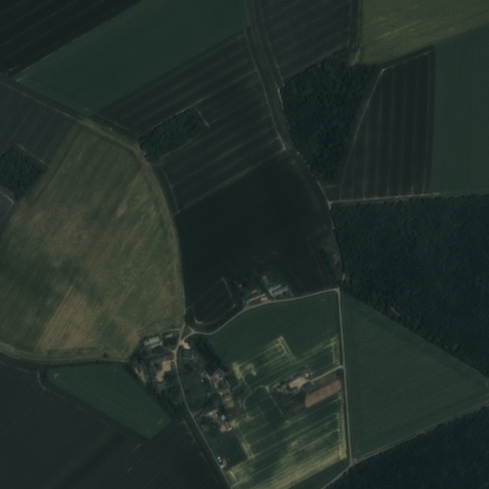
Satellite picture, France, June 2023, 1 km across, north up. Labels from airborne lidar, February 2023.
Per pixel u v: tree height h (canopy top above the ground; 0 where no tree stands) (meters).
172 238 0
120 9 0
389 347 0
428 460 25
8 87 0
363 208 19
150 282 0
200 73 0
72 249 0
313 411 0
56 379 0
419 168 0
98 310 0
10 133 0
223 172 0
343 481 14
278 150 0
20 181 9
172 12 0
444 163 0
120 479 0
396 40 0
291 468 0
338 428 0
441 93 0
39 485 0
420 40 0
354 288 16
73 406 0
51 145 0
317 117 21
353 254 18
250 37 0
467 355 22
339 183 0
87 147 0
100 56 0
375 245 23
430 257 21
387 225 22
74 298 0
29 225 0
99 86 0
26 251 0
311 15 0
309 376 0
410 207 21
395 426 0
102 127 0
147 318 0
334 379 0
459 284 21
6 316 0
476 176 0
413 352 0
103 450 0
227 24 0
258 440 0
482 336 24
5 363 0
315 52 0
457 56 0
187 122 12
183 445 0
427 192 0
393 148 0
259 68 0
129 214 0
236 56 0
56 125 0
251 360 0
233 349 0
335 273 9
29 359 0
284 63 0
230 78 0
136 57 0
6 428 0
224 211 0
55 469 0
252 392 0
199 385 0
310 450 0
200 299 0
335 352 0
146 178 0
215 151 0
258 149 0
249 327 0
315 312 0
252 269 0
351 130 8
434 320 23
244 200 0
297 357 0
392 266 21
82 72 0
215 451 0
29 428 0
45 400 0
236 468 0
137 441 0
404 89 0
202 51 0
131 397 0
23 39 0
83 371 0
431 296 22
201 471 0
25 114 0
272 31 0
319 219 0
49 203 0
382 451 0
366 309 0
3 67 0
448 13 0
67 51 0
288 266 0
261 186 0
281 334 0
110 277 0
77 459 0
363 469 17
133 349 0
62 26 0
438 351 0
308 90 22
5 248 0
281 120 0
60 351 0
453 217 23
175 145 19
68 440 0
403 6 0
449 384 0
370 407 0
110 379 0
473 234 22
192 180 0
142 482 0
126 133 0
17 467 0
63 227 0
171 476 0
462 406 0
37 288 0
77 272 0
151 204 0
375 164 0
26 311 0
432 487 23
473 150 0
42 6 0
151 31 0
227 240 0
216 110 0
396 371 0
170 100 0
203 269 0
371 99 0
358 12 0
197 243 0
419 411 0
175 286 0
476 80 0
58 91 0
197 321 0
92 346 0
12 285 0
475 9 0
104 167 0
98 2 0
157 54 0
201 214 0
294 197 0
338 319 0
